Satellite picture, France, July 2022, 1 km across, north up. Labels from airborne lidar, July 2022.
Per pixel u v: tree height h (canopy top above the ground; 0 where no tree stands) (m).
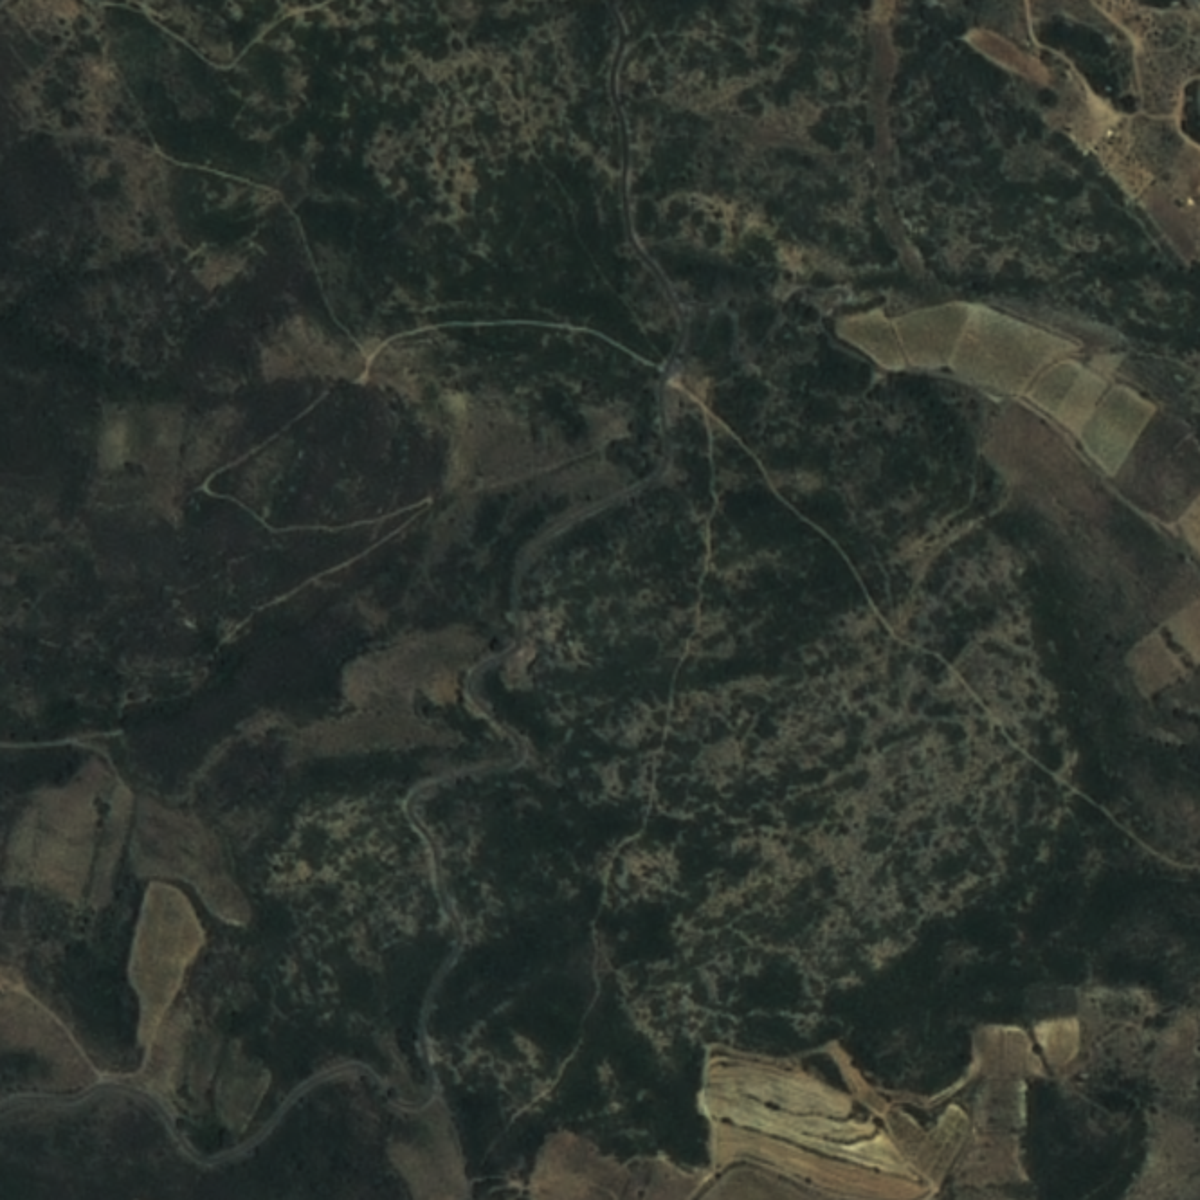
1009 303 0
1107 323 0
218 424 0
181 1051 0
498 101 0
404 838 0
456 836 0
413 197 0
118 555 0
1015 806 0
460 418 0
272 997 0
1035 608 0
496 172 0
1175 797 0
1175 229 0
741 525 0
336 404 0
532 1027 0
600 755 0
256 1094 0
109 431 0
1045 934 0
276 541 0
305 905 0
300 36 0
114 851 0
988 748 0
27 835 0
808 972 0
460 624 0
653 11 0
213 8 0
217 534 0
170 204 0
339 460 0
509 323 0
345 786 0
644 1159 0
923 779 0
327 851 0
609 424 0
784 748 0
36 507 0
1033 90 0
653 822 0
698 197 0
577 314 0
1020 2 0
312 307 0
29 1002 0
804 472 0
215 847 0
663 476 0
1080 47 0
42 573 0
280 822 0
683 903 0
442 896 0
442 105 0
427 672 0
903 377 10
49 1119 0
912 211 0
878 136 0
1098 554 0
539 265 0
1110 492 0
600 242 0
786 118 0
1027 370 0
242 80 0
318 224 0
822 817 0
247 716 0
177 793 0
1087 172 0
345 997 0
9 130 0
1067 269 0
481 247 0
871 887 0
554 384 0
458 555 0
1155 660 0
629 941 0
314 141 0
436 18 0
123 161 0
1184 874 0
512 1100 0
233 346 0
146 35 0
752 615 0
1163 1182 0
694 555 0
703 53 0
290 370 0
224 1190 0
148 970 0
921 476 0
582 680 0
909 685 0
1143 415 0
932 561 0
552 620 0
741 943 0
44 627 0
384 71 0
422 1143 0
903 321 0
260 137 0
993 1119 0
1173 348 0
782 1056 0
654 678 0
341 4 0
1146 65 0
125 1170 0
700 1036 0
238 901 0
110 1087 0
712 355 0
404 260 0
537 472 0
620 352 0
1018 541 0
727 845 0
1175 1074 0
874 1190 0
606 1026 0
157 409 0
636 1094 0
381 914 0
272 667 0
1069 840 0
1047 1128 0
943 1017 0
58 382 0
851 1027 0
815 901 0
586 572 0
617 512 0
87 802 0
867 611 0
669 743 0
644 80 0
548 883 0
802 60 0
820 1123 0
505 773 0
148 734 0
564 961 0
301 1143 0
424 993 0
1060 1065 0
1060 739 0
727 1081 0
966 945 0
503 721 7
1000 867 0
